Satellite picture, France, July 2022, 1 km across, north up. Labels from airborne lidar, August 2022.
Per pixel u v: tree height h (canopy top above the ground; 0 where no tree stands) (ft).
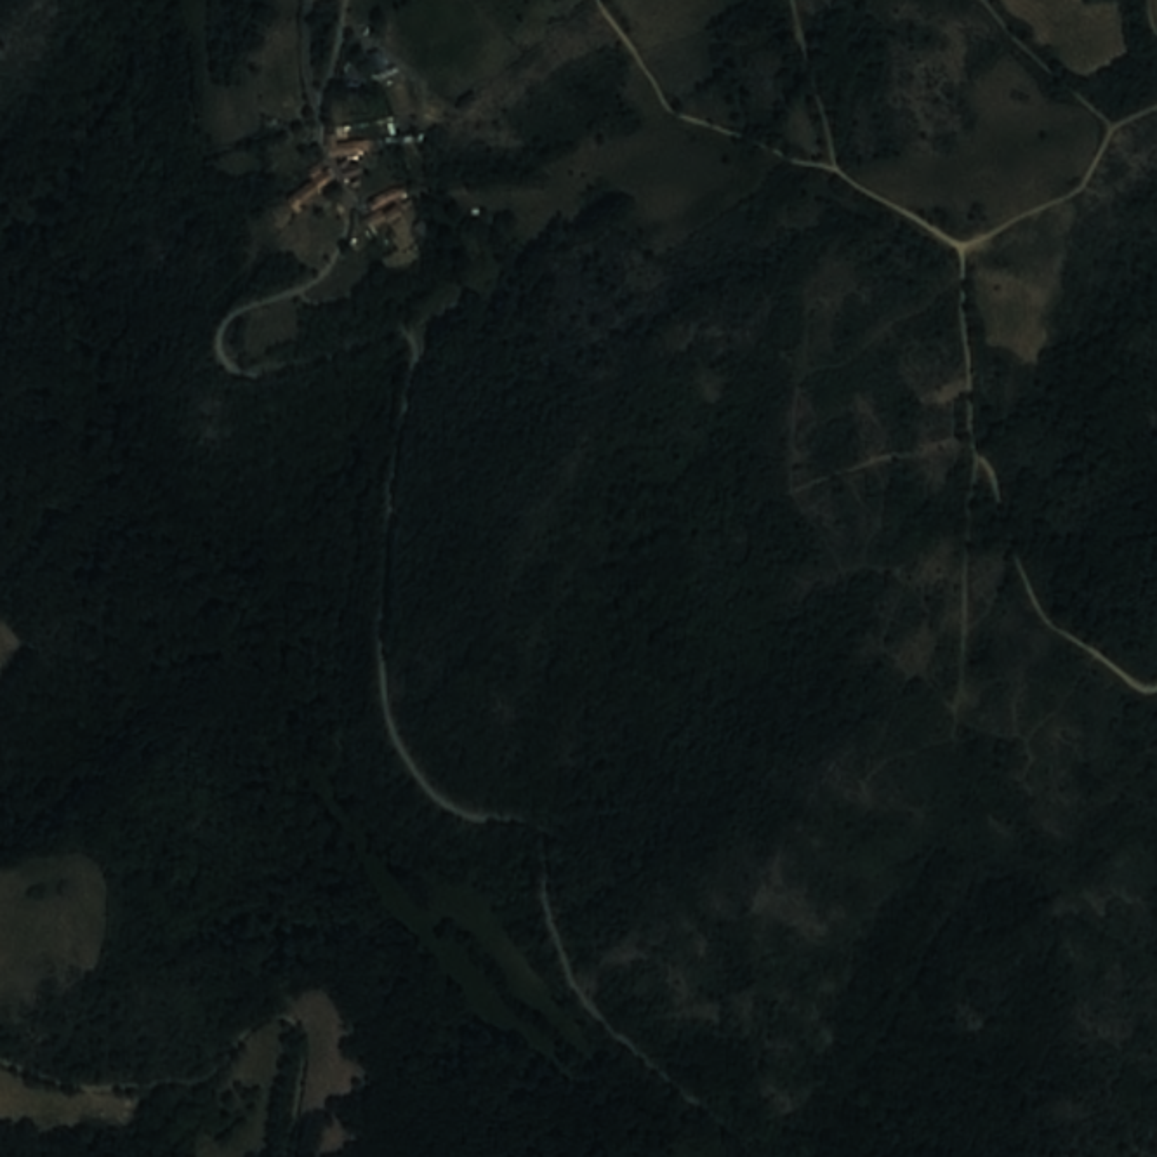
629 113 21
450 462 43
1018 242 0
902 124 0
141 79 57
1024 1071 34
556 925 30
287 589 68
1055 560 24
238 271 20
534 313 41
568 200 0
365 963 69
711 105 0
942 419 0
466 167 26
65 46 31
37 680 60
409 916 0
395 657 37
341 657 33
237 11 42
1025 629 0
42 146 69
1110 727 18
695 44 0
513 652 20
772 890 0
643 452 23
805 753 26
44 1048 23
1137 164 0
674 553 35
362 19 0
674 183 0
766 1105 34
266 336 0
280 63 0
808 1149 49
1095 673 20
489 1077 81
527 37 0
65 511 76
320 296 0
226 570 91
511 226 33
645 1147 94
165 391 40
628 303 25
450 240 45
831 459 23
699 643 21
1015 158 0
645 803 41
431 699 37
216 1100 43
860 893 22
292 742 86
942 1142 42
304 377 53
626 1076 61
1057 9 0
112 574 66
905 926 48
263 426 40
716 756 29
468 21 0
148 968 20
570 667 47
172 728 48
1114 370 35
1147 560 42
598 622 42
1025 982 24
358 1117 30
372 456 70
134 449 67
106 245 49
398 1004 52
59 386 84
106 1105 0
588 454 23
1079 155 0
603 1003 33
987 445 39
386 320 48
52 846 53
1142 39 37
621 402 22
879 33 32
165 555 48
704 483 30
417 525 49
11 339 44
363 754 32
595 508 49
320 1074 0
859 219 25
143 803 31
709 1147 40
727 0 0
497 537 28
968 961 42
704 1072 69
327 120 39
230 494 47
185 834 18
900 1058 61
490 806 40
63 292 72
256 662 59
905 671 0
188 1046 23
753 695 31
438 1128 78
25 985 0
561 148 20
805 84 49
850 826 21
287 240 0
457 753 30
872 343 0
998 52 0
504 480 32
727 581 23
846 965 28
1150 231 29
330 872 73
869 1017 53
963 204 0
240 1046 30
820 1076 49
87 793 81
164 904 35
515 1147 60
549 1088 87
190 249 22
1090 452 42
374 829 54
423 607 59
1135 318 37
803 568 26
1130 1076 25
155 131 51
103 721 79
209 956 59
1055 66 36
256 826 83
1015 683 0
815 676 18
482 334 39
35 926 0
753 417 28
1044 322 0
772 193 20
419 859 71
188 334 24
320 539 52
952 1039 36
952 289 0
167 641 63
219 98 0
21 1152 27
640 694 59
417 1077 82
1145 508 82
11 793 81
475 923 0
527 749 47
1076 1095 21
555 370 33
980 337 22
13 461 74
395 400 35
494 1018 0
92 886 0
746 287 26
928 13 0
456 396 28
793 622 24
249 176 21
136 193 33
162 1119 55
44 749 64
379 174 0
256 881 63
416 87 0
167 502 84
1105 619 32
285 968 73
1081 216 0
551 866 51
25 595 47
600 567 33
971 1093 52
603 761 52
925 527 29
